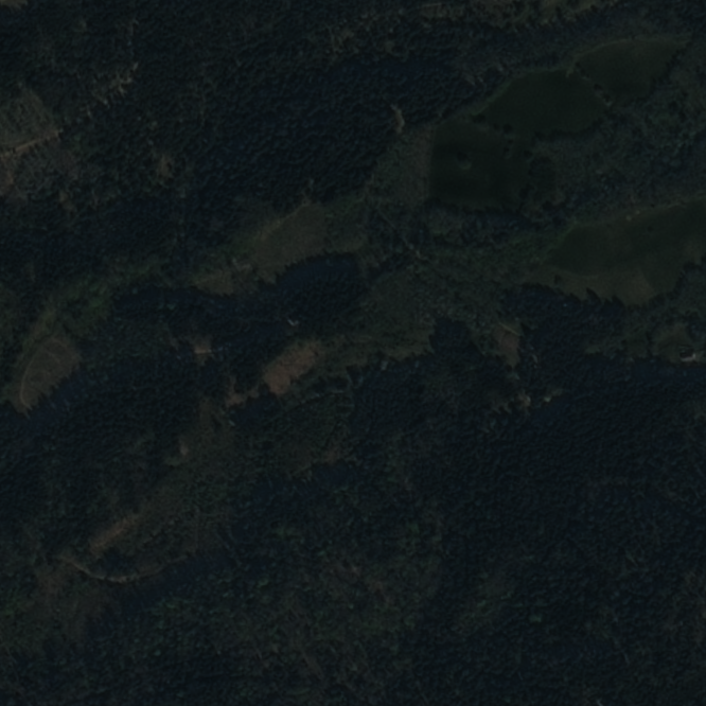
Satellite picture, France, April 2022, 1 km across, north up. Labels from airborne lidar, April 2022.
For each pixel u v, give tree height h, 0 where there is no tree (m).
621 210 23
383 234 24
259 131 39
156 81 34
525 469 28
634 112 11
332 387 13
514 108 0
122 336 21
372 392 25
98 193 32
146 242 19
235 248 20
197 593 30
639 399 27
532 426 29
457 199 0
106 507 25
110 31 33
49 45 21
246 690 31
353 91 28
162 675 26
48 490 24
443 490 31
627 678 28
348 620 30
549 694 32
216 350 0
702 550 30
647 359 0
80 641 11
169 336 18
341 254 0
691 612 27
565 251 0
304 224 0
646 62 0
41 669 14
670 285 0
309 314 31
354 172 31
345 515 31
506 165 0
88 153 28
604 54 0
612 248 0
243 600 30
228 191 17
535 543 34
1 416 32
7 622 11
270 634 29
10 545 25
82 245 21
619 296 0
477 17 8
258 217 29
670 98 27
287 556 28
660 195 23
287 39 19
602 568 10
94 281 31
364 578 24
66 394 0
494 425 22
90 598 9
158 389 29
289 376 0
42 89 26
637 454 21
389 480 32
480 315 14
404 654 33
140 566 8
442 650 20
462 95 30
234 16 35
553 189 12
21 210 21
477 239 28
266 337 27
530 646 36
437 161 0
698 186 23
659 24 20
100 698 31
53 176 26
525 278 30
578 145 21
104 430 27
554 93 0
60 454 24
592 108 0
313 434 10
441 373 21
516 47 20
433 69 32
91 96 31
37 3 28
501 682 33
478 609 28
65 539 25
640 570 8
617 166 7
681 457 29
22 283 19
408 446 29
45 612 11
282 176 21
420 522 30
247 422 36
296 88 29
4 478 27
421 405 16
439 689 36
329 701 32
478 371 19
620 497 36
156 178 20
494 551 32
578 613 16
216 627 29
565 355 31
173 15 36
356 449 7
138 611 26
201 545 10
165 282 10
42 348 0
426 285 15
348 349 10
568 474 30
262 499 27
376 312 15
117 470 21
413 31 25
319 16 25
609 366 26
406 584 30
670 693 14
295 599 32
